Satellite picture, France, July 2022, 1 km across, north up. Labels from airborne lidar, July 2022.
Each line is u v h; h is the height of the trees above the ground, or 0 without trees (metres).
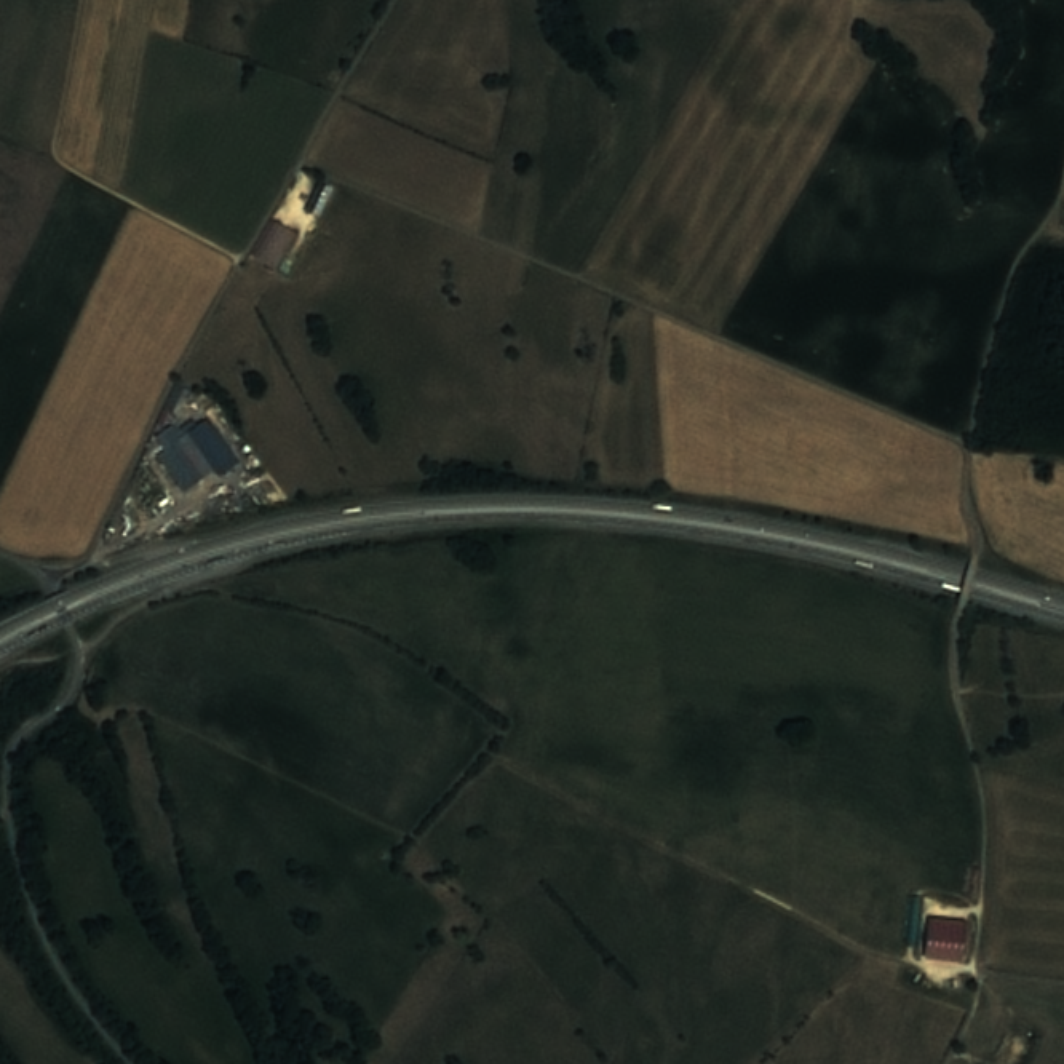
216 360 0
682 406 0
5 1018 0
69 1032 12
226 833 0
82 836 0
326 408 0
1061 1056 0
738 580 0
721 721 0
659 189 0
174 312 0
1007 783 0
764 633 0
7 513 0
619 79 0
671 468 0
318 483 0
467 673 0
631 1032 0
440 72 0
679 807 0
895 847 0
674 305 0
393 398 0
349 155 0
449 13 0
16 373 0
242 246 0
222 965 17
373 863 0
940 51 0
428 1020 0
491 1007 0
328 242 0
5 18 0
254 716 0
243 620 0
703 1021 0
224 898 0
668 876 0
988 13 20
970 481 0
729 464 0
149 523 0
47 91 0
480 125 0
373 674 0
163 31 0
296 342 0
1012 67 13
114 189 0
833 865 0
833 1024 0
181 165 0
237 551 0
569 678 0
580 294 0
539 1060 0
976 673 0
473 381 0
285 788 0
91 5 0
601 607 0
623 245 0
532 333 0
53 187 0
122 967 0
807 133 0
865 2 0
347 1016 16
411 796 0
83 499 0
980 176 13
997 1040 0
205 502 0
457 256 0
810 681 0
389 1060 0
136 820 0
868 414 0
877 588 0
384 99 0
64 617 0
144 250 0
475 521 0
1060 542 0
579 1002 0
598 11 0
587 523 0
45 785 0
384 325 0
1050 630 0
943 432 0
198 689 0
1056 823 0
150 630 0
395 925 0
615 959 7
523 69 0
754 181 0
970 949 0
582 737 0
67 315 0
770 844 0
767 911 0
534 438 0
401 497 0
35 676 8
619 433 0
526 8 0
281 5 0
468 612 0
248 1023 19
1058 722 0
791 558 0
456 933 13
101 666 0
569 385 0
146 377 0
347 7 0
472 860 0
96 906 0
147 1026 0
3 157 0
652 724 0
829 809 0
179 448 0
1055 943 0
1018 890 0
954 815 0
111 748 12
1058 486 0
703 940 0
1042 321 7
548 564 0
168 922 8
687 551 0
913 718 0
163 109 0
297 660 0
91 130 0
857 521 0
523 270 0
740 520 0
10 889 18
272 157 0
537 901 0
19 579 0
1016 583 0
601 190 0
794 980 0
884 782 0
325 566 0
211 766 0
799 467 0
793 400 0
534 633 0
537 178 0
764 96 0
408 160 0
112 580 0
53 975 21
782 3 0
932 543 0
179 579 0
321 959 0
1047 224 0
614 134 0
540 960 0
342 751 0
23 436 0
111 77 0
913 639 0
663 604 0
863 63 0
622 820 0
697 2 0
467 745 0
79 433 0
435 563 0
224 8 0
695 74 0
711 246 0
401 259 0
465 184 0
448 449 0
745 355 0
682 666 0
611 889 0
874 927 0
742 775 0
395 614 0
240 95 0
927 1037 0
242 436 0
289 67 0
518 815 0
